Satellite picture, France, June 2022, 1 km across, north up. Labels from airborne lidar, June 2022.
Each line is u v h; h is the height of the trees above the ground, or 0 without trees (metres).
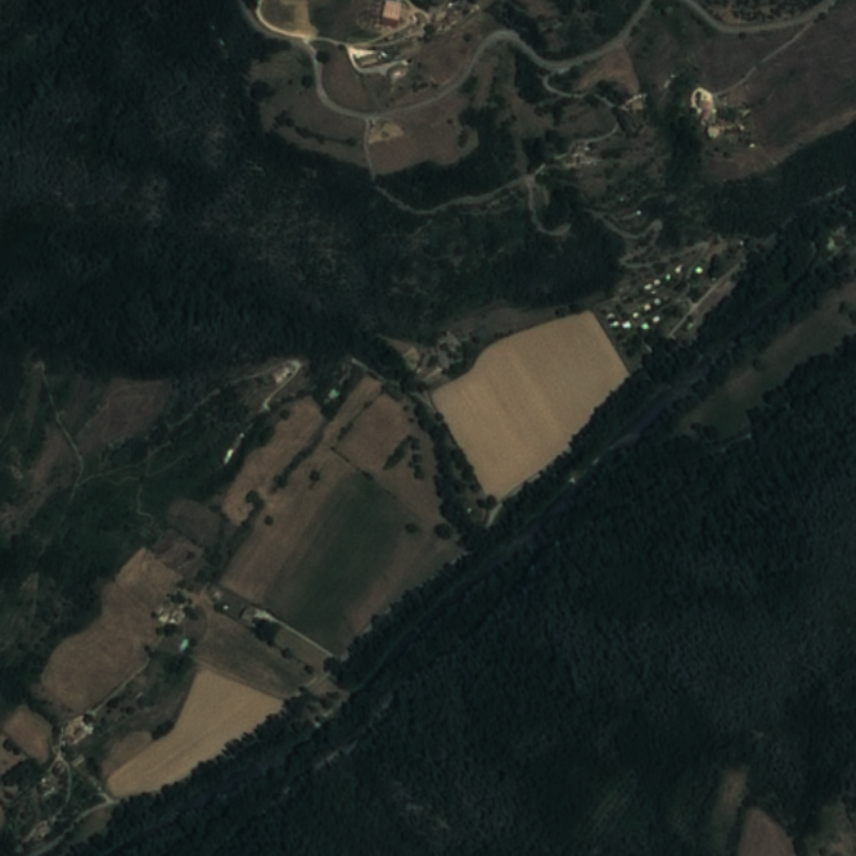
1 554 9
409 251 6
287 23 0
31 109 13
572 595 19
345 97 0
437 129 0
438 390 0
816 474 17
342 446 0
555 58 8
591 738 15
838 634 15
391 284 11
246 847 11
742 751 7
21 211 14
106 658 0
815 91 0
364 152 0
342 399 12
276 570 0
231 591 0
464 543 8
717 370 20
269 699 0
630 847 7
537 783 14
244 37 7
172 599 8
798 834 10
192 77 15
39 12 13
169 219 15
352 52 0
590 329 0
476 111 9
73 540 7
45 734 0
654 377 18
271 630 26
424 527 0
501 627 14
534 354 0
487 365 0
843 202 21
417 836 14
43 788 7
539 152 17
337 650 0
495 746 12
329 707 27
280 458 0
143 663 0
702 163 16
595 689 11
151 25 13
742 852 0
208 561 6
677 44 0
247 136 15
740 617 12
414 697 8
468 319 0
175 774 0
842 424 10
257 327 9
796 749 15
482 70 0
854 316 13
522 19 12
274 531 0
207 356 11
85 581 13
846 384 22
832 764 14
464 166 12
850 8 0
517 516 17
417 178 9
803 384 17
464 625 11
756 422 12
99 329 21
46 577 10
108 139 21
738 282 8
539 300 7
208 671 0
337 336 14
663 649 14
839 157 6
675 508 18
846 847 0
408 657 20
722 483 14
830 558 12
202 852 25
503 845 8
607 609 13
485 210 7
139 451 7
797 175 9
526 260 14
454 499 22
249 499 10
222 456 9
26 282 17
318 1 0
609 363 0
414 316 8
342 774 7
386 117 0
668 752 9
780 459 14
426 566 0
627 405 18
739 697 11
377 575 0
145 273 17
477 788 15
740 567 18
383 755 12
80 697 0
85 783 9
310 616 0
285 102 0
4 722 0
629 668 6
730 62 0
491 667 15
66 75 17
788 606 11
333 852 9
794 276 17
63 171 11
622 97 11
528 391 0
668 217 7
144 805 19
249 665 0
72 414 0
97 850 13
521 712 15
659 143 0
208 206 7
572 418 0
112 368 11
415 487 0
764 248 12
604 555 6
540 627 18
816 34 0
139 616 0
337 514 0
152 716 0
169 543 0
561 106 6
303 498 0
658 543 10
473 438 0
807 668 15
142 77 7
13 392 8
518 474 0
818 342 0
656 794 6
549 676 18
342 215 8
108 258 21
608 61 0
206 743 0
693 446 19
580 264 13
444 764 9
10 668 8
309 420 0
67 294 18
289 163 10
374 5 0
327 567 0
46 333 9
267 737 31
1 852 8
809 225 19
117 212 11
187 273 9
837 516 15
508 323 0
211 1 10
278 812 18
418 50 0
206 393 6
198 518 0
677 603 15
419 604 31
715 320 19
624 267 7
